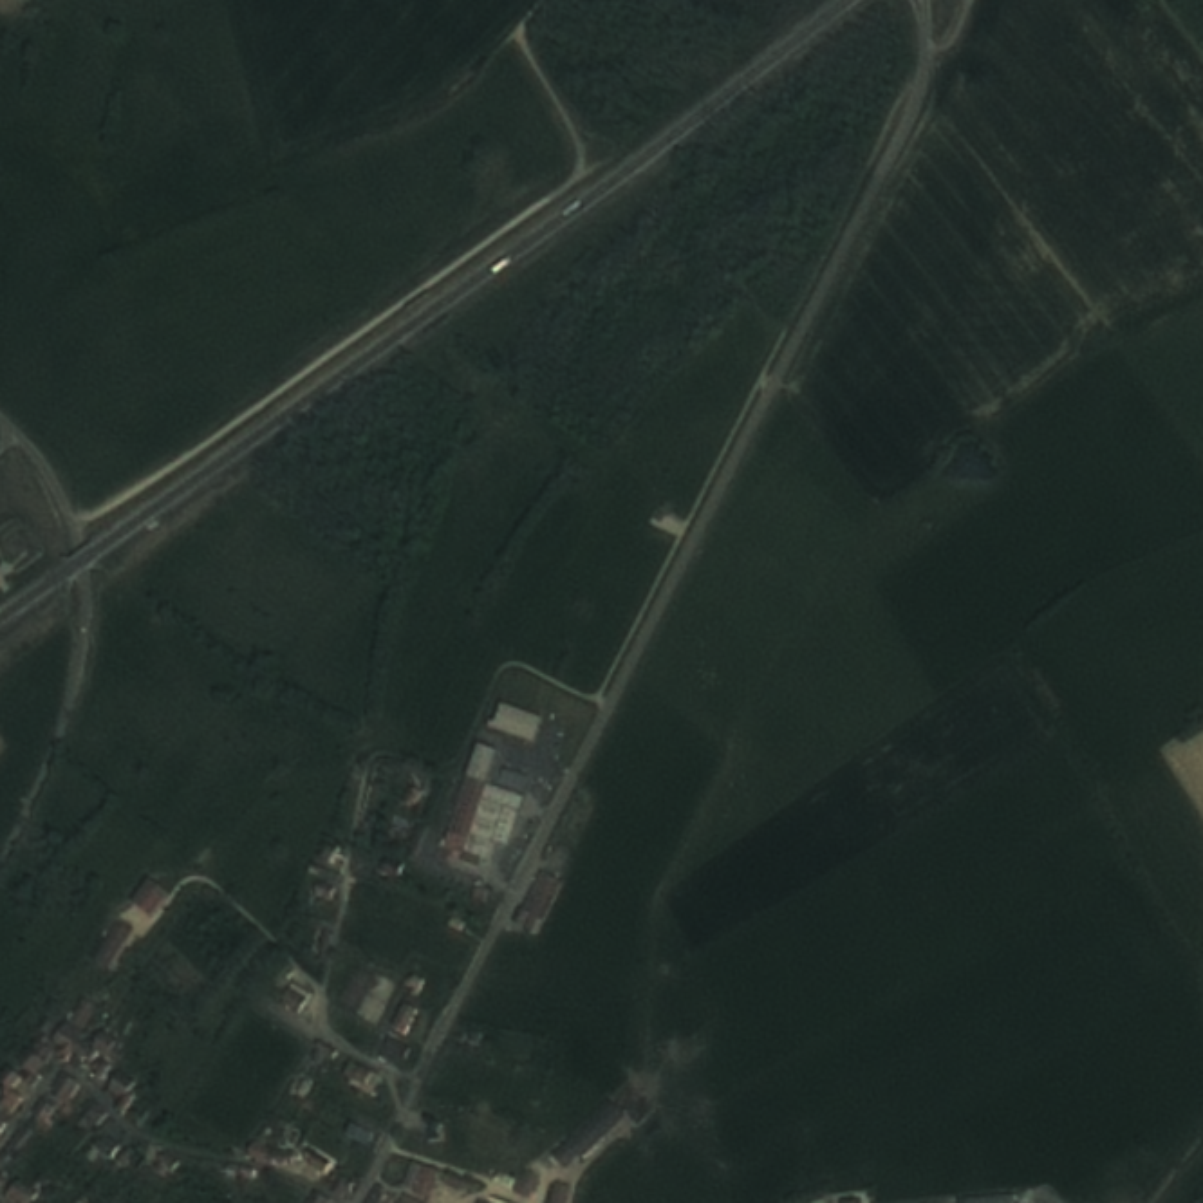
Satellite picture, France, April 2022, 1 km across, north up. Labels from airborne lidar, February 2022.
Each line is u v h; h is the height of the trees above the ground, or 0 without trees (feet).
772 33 0
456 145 0
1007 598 0
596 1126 0
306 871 0
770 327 0
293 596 0
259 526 0
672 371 53
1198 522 0
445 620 0
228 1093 0
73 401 0
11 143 0
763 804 0
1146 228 0
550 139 0
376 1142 0
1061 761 0
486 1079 0
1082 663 0
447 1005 0
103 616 0
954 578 0
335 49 0
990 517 0
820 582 0
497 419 0
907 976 0
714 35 92
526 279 0
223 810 0
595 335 20
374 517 71
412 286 0
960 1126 0
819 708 0
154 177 0
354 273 0
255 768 0
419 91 0
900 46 52
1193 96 0
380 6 0
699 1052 0
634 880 0
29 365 0
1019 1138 0
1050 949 0
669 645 0
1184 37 0
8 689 0
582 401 20
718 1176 0
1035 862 0
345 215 0
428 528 47
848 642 0
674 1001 0
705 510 0
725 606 0
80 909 33
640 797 0
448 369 0
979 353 0
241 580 0
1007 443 0
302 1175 0
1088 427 0
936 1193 0
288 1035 0
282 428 0
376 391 54
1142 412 0
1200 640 0
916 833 0
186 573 0
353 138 0
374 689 22
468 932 0
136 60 0
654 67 96
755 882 0
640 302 22
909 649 0
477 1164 0
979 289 0
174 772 0
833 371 0
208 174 0
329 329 33
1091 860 0
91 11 0
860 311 0
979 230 0
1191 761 0
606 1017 0
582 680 0
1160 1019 0
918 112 0
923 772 0
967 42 0
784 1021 0
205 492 0
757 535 0
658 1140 0
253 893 0
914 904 0
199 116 0
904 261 0
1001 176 0
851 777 0
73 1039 0
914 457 0
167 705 0
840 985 0
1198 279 0
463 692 0
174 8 0
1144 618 0
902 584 0
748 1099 0
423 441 20
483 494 0
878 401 0
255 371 0
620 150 0
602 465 0
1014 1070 0
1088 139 0
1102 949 0
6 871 45
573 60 25
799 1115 0
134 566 0
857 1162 0
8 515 0
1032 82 0
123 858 0
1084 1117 0
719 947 0
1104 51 0
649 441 0
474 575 0
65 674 0
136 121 0
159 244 0
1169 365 0
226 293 0
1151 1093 0
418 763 49
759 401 0
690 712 0
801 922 0
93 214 0
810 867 0
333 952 25
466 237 0
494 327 0
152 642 0
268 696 53
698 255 27
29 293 0
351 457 63
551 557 0
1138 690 0
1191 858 0
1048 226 0
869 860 0
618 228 0
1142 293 0
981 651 0
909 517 0
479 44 0
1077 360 0
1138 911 0
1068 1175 0
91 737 0
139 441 0
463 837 0
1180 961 0
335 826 20
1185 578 0
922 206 0
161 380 0
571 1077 0
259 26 0
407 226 0
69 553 0
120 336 0
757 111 66
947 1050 0
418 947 0
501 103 0
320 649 0
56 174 0
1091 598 0
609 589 0
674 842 0
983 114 0
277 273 0
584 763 0
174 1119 33
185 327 0
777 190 19
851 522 0
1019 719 0
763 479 0
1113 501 0
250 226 0
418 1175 0
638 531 0
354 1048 36
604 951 0
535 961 0
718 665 0
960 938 0
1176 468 0
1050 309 0
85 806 0
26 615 0
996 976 0
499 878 0
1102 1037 0
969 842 0
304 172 0
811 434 0
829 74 48
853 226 0
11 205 0
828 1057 0
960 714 0
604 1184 0
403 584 43
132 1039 0
